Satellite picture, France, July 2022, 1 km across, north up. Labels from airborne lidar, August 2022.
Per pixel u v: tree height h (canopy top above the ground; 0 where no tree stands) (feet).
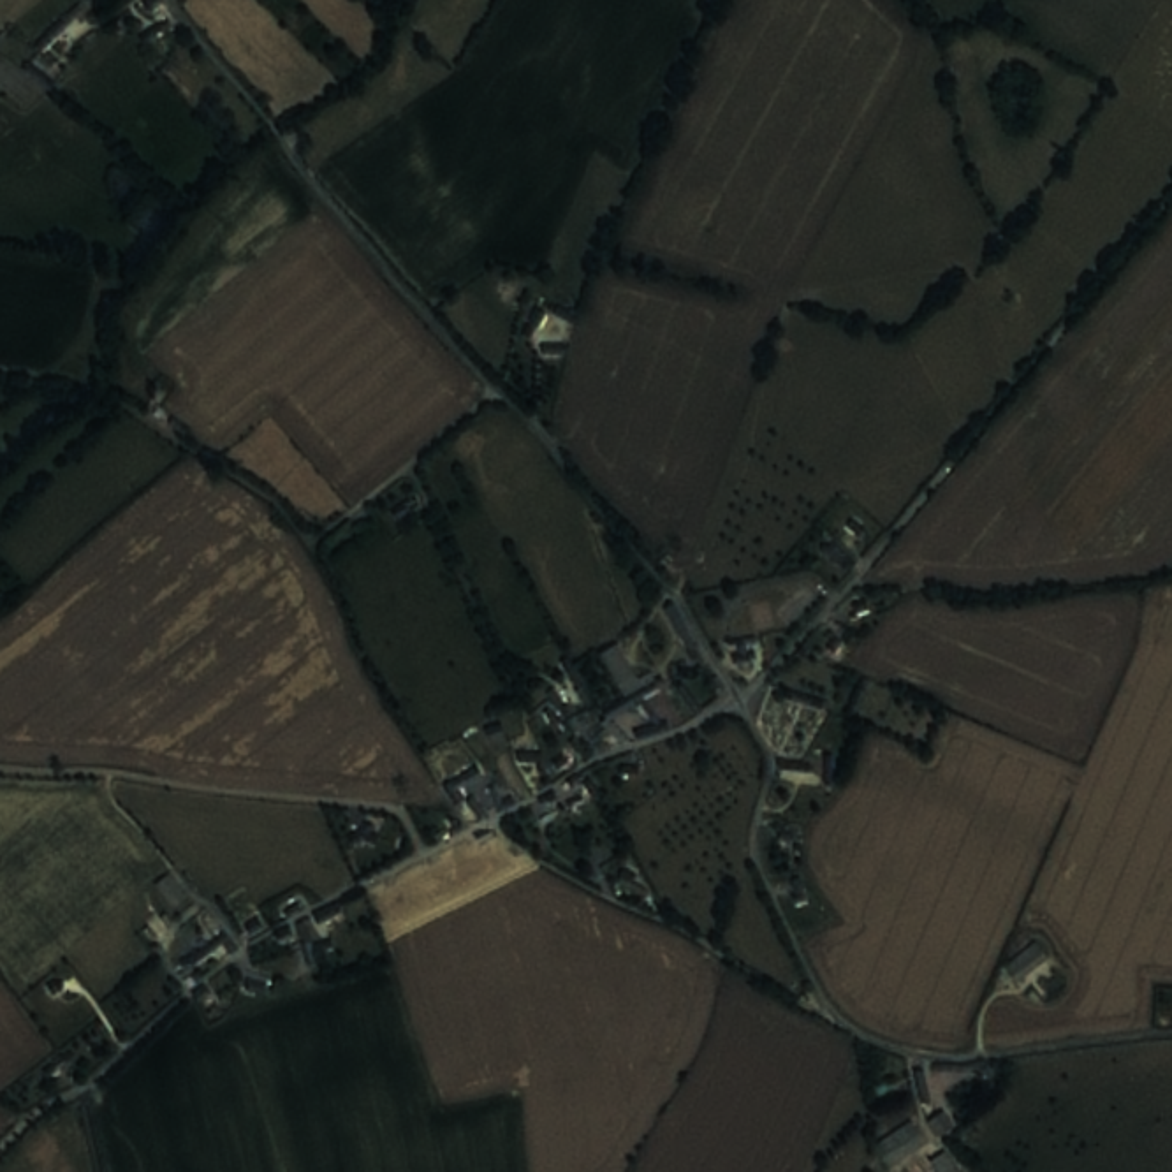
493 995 0
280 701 0
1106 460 0
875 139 0
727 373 0
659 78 0
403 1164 0
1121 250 31
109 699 0
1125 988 0
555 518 0
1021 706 0
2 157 0
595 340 0
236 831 0
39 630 0
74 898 0
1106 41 0
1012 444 0
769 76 0
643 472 0
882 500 0
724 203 0
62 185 0
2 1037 0
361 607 0
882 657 0
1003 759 0
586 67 0
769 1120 0
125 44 0
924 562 0
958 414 0
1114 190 0
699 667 20
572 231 0
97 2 30
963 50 0
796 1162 0
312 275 0
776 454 0
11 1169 0
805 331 0
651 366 0
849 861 0
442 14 0
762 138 0
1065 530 0
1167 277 0
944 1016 0
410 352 0
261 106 31
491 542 0
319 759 0
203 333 0
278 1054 0
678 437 0
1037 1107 0
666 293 0
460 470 29
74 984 0
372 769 0
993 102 28
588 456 0
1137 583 32
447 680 0
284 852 0
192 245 0
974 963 0
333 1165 0
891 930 0
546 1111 0
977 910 0
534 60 0
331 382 0
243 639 0
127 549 0
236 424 0
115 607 0
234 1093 0
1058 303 0
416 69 0
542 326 0
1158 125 0
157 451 0
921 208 0
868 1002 0
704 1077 0
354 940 0
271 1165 0
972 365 0
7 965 0
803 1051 0
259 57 0
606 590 0
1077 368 0
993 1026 0
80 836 0
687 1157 0
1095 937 0
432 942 0
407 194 0
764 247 0
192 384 0
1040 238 0
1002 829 0
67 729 0
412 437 0
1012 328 0
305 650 0
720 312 0
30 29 0
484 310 0
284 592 0
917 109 0
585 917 0
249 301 0
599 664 23
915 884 0
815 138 0
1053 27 0
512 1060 0
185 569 0
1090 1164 0
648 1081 0
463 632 0
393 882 0
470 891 0
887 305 0
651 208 0
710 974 0
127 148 40
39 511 0
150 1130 0
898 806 0
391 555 0
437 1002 0
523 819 34
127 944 0
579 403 0
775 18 0
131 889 0
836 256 0
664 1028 0
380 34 31
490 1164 0
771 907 27
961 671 0
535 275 24
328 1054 0
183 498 0
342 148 0
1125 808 0
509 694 32
